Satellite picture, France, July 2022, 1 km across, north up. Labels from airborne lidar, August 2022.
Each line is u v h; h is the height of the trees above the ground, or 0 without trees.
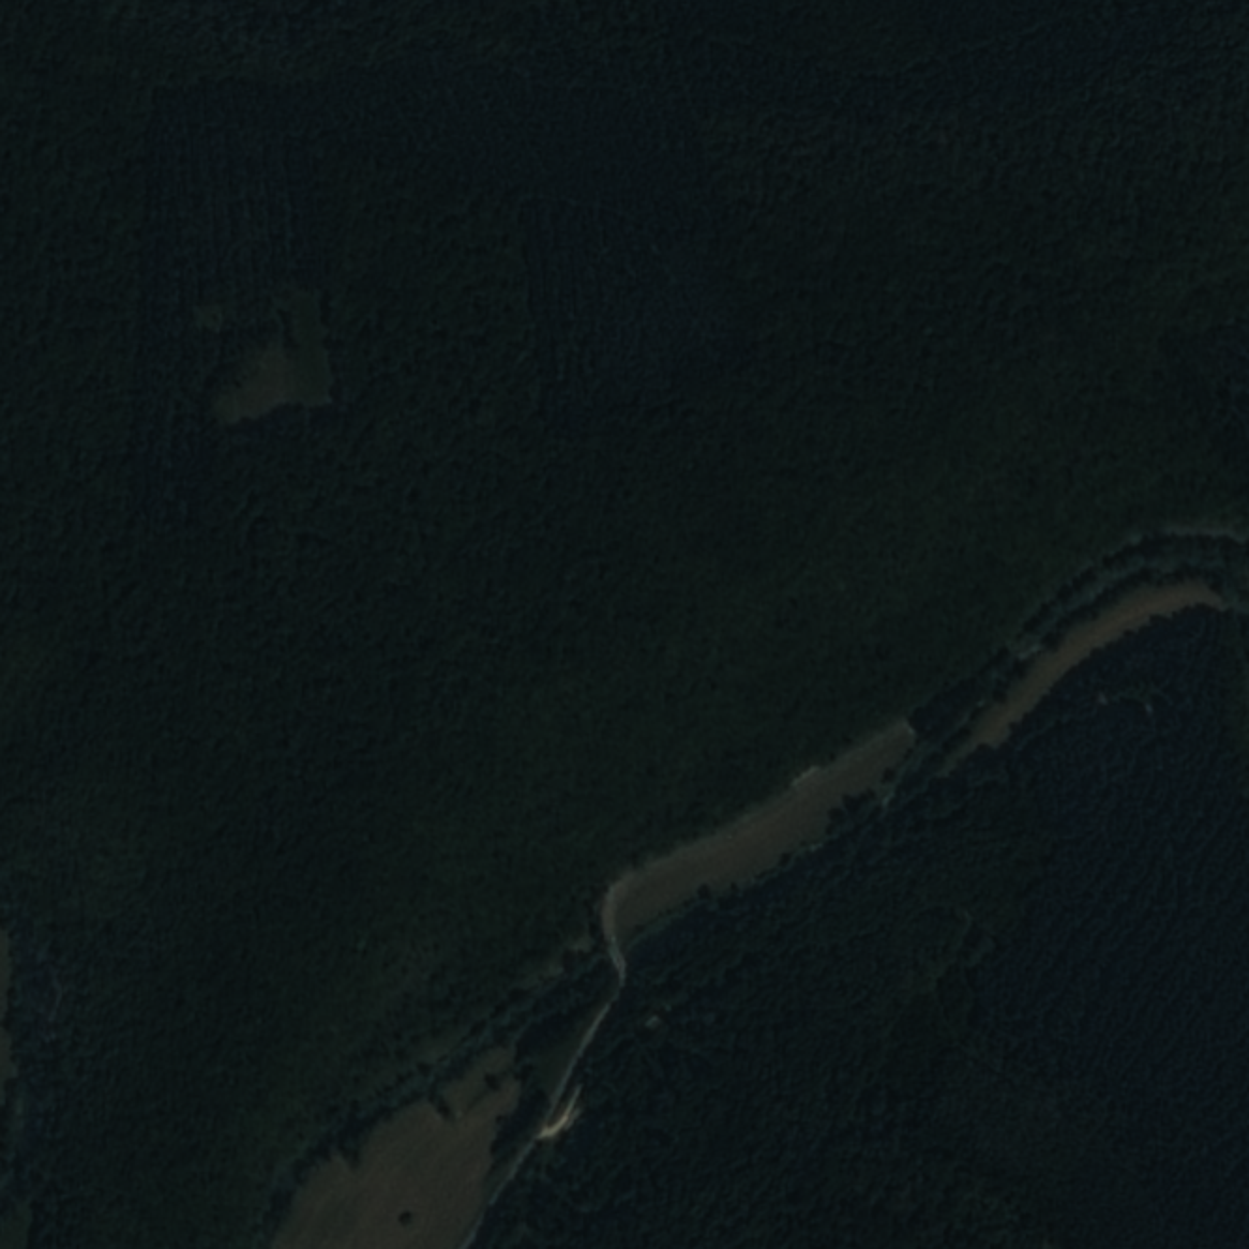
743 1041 21
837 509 15
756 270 18
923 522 15
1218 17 24
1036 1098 20
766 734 18
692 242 18
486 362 15
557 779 9
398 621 19
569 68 15
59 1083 16
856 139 21
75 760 15
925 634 23
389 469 14
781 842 0
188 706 16
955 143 17
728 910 19
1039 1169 17
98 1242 12
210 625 19
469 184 16
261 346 14
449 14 15
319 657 20
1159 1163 25
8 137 24
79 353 16
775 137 16
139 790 14
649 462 16
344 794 16
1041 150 18
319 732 18
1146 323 18
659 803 12
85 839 8
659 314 21
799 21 18
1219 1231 28
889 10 17
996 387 15
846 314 23
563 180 15
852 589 16
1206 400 11
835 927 21
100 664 19
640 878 0
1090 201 19
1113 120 20
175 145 15
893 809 8
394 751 17
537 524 19
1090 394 21
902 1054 8
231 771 16
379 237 18
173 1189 15
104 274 18
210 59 13
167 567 19
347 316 18
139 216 17
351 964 15
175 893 12
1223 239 15
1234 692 16
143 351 19
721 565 14
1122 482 21
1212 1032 28
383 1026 13
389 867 15
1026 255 22
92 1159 14
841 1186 21
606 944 14
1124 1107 25
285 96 16
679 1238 24
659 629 15
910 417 15
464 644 14
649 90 17
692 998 23
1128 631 0
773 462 19
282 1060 11
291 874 16
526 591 20
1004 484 19
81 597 22
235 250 13
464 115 12
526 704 13
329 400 0
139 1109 13
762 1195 21
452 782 17
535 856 15
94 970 15
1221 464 17
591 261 10
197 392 13
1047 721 16
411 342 19
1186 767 27
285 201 13
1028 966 29
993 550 25
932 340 19
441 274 21
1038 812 24
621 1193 21
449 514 20
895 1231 28
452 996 23
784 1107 23
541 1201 14
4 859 15
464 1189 0
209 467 17
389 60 14
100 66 16
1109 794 27
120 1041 15
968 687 30
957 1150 20
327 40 19
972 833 19
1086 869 29
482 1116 0
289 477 14
